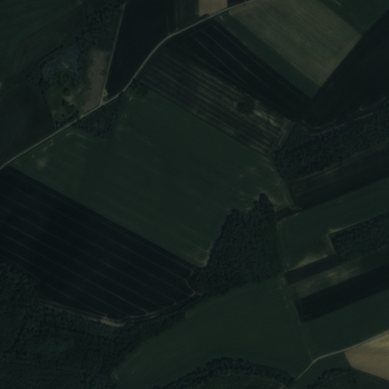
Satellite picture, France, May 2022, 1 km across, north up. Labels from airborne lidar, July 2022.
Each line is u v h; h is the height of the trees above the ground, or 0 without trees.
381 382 0
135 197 0
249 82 0
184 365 0
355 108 0
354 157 0
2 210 0
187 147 0
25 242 0
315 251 0
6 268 19
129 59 0
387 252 0
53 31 0
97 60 0
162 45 0
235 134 0
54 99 0
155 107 0
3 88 6
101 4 0
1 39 0
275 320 0
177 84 0
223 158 0
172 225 0
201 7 0
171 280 0
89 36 21
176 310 9
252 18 0
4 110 0
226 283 15
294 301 0
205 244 0
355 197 0
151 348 0
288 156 26
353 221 0
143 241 0
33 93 0
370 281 0
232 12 0
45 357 18
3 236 0
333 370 14
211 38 0
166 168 0
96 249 0
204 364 0
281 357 0
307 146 24
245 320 0
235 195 0
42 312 26
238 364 8
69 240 0
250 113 0
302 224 0
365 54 0
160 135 0
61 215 0
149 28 0
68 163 0
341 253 23
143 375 0
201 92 0
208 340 0
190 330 0
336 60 0
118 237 0
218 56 0
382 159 0
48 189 0
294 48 0
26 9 0
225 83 0
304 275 0
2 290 27
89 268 0
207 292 12
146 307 0
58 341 22
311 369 0
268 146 0
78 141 0
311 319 0
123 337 25
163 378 0
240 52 0
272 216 25
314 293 0
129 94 0
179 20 0
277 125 0
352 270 0
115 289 0
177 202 0
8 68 0
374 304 0
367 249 20
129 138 0
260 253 21
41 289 0
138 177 0
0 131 0
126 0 0
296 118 0
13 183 0
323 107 0
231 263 25
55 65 0
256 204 14
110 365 21
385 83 0
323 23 0
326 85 0
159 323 14
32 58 0
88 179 0
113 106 6
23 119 0
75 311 0
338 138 25
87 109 0
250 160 0
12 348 10
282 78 0
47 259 0
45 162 0
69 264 0
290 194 0
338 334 0
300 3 0
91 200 0
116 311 0
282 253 0
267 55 0
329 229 0
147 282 0
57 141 0
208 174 0
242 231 23
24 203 0
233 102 0
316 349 0
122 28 0
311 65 0
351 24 0
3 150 0
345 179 0
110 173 0
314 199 0
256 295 0
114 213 0
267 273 17
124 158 0
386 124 22
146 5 0
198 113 0
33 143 0
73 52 0
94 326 23
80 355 17
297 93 0
